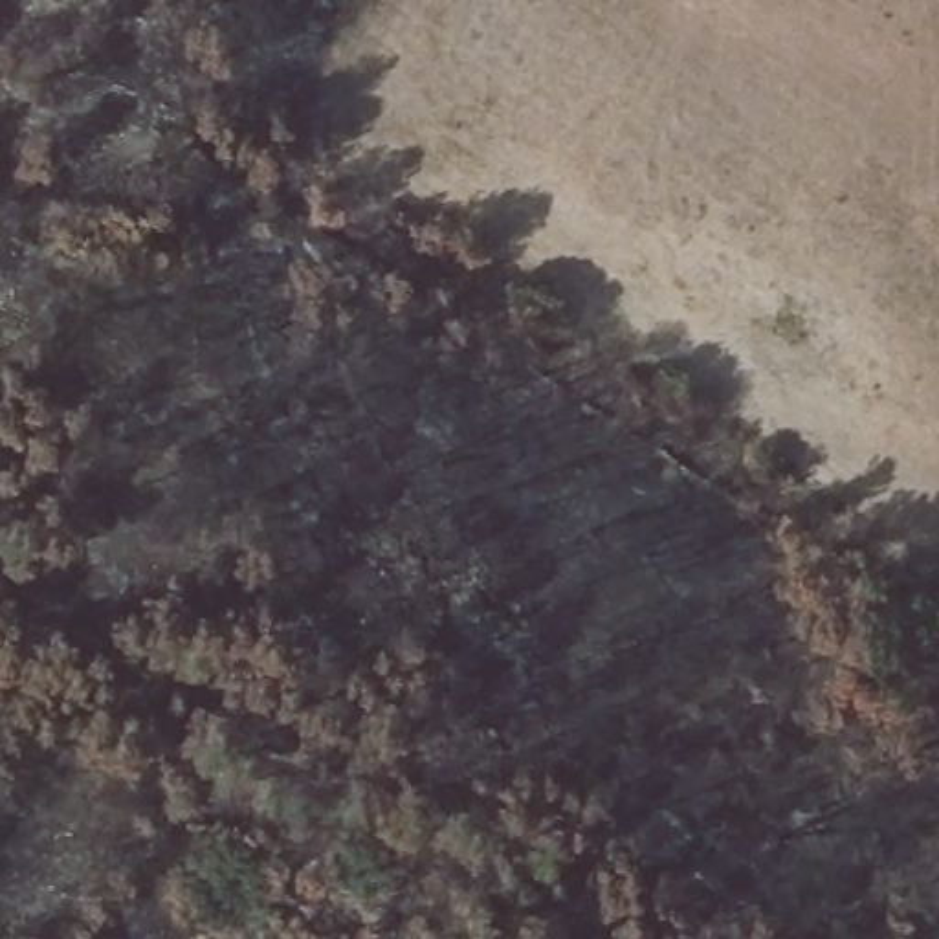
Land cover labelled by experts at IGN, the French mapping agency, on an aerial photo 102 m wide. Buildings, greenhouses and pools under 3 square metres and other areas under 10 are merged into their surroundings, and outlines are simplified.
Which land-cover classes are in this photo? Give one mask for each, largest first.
<instances>
[{"label":"coniferous trees","instance_id":"1","mask_svg":"<svg viewBox=\"0 0 939 939\"><path fill-rule=\"evenodd\" d=\"M381 0H0V103L15 99L29 110L22 121L15 169L22 183H48V161L55 158L62 169L73 172V183L81 191L158 187L165 176L176 172V154L183 147L209 139L224 165H238L249 176V187L257 191V216L249 231L268 253H282L286 260L301 257L337 271L378 264L411 268L418 253H451L462 268H477L488 282H495L506 293L510 323L536 326L539 352H547L558 367H569V378L580 392H598L602 403L616 407V418H609V433H620L627 422H657V458L664 466V481L708 488L723 503L737 506V514L759 536V550L770 561L759 602L774 631L770 653L763 660L737 664V686L756 734L748 774L785 767L796 748H822L836 759V778L851 796L866 800L880 781H932L939 807V580H899L888 572V561L902 558L913 547H939V495L902 492L891 481V458L873 462L855 481L822 488L811 477L814 466H822L818 447H811L792 429L770 436L756 422L741 418L745 374L737 370V359L730 352H723L719 345H693L686 330L675 323L653 334L631 330V323L620 315V282L605 279V271L591 260L558 257L543 260L539 268H521L525 238L536 227H543L550 213V194L503 191L492 198L444 202L440 194H411V176L422 169V147L385 150V132L374 125V117L381 114V99L374 92L381 77L396 66V59L370 55L348 70H337L330 62L337 33L359 26V18L374 11ZM88 403L73 411L44 407V425H26V418L11 422V429L22 440H40L55 451L48 473L26 470V455L0 444V825L11 814H33L44 803V774L81 770L92 803H125L132 800L136 781L154 789L161 785L165 811L172 822L187 829L191 844L187 862L172 866L161 884V902L169 910V921L183 932V939H319L275 913V902L282 895L279 869H297V891L304 899L337 902L348 913H356L359 939H378V921L392 895V884L378 866L392 851L414 855L418 829L436 836V851L455 855L440 873L455 884L447 891L455 917L440 928V935H433L425 921H411L403 928V939H807V928L800 921L763 917L759 910L723 913L690 906L682 880L671 869V858L657 847V840L631 833L635 818L642 822L649 814V803L642 796L609 800L598 785V774L591 770L488 774V781H473L477 796L458 814H440L433 800H422L396 759L418 756L425 767H440L444 734L455 730V712L466 693L462 664L440 653L414 627H392L359 646L301 638L290 620L293 569L286 561L279 532L271 528L253 492L238 495V514L231 525H220L216 532H187L180 543L150 539L147 521H117L103 536L81 539L84 506L77 477ZM866 939H939V888H928L924 895H888Z\"/></svg>","mask_w":939,"mask_h":939},{"label":"bare soil","instance_id":"2","mask_svg":"<svg viewBox=\"0 0 939 939\"><path fill-rule=\"evenodd\" d=\"M29 110L15 99L0 103V444L26 455V470L48 473L55 451L40 440H22L11 429V422L26 418V425H44V407L73 411L88 403L77 477L84 506L81 539L103 536L117 521H147L150 539L180 543L187 532H216L220 525H231L238 514V495L253 492L271 528L279 532L286 561L293 569L290 620L301 638L359 646L392 627H414L440 653L462 664L466 693L455 712V730L444 734L440 767H425L418 756L396 759L422 800H433L440 814H458L477 796L473 781H488V774L591 770L598 774V785L609 800L642 796L649 803V814L642 822L635 818L631 833L657 840V847L671 858V869L682 880L690 906L723 913L759 910L763 917L800 921L807 928V939H866L888 895H924L928 888H939V807L932 781H880L866 800L851 796L836 778V759L822 748H796L785 767L748 774L756 734L737 686V664L763 660L770 653L774 631L759 602L770 561L759 550V536L737 514V506L723 503L708 488L664 481V466L657 458V422H627L620 433H609V418H616V407L602 403L598 392H580L569 378V367H558L547 352H539L536 326L510 323L506 293L495 282H488L477 268H462L451 253H418L411 268L378 264L337 271L301 257L286 260L282 253H268L249 231L257 216V191L249 187V176L238 165H224L209 139L183 147L176 154V172L165 176L158 187L81 191L73 183V172L62 169L55 158L48 161V183H22L15 169L22 121ZM888 572L899 580H939V547H913L902 558L888 561ZM44 803L33 814H11L0 825V939H183V932L169 921V910L161 902V884L172 866L187 862L191 844L187 829L172 822L165 811L161 785L154 789L136 781L132 800L125 803H92L81 770L44 774ZM455 855L436 851V836L418 829L414 855L392 851L378 866L392 884V895L378 921V939H403V928L411 921H425L433 935H440V928L455 917L447 891L455 884L440 873ZM282 895L275 902V913L319 939H359L356 913H348L337 902L304 899L297 891V869H279Z\"/></svg>","mask_w":939,"mask_h":939},{"label":"agricultural land","instance_id":"3","mask_svg":"<svg viewBox=\"0 0 939 939\"><path fill-rule=\"evenodd\" d=\"M370 55L396 59V66L381 77L374 92L381 99V114L374 117V125L385 132V150L422 147V169L411 176V194H440L444 202L492 198L503 191L550 194V213L543 227H536L525 238L521 268H539L543 260L558 257L591 260L605 271V279L620 282V315L631 323V330L653 334L675 323L686 330L693 345H719L723 352H730L737 359V370L745 374L741 418L756 422L770 436L792 429L811 447H818L822 466H814L811 477L822 488L855 481L873 462L891 458V481L902 492L939 495V0H381L374 11L359 18V26L337 33L330 62L337 70H348Z\"/></svg>","mask_w":939,"mask_h":939}]
</instances>
